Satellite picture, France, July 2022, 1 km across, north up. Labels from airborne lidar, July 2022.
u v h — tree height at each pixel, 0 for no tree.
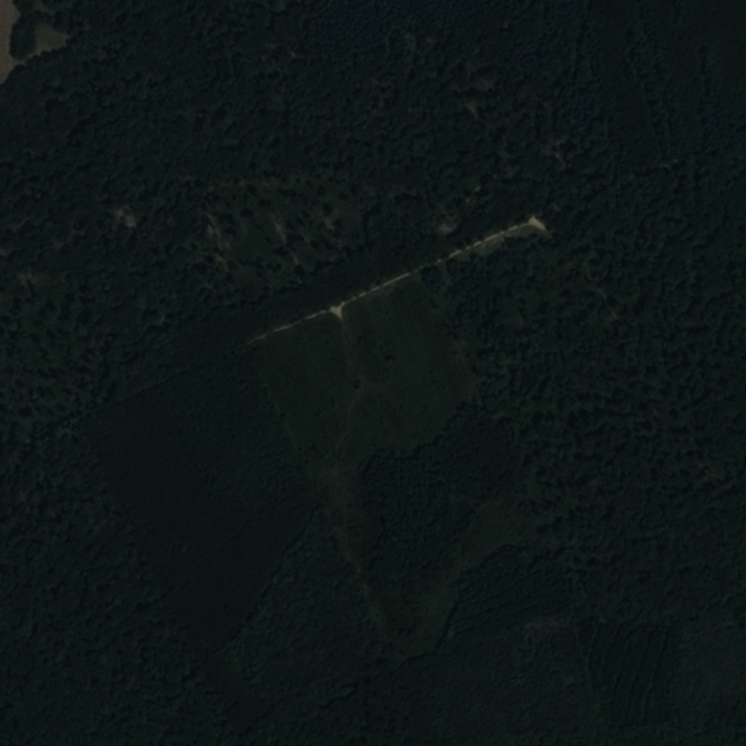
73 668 21
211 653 9
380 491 14
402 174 20
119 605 20
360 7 20
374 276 13
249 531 12
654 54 13
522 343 8
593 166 20
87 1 17
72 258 23
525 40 19
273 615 17
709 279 19
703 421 18
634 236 21
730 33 9
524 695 14
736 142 22
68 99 26
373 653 24
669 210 18
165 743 21
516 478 17
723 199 20
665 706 9
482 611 15
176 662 21
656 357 24
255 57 19
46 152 27
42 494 25
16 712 23
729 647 14
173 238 19
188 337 16
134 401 12
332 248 24
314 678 20
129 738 20
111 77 24
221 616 10
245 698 9
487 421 17
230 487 17
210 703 20
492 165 18
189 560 9
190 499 12
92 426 12
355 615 22
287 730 24
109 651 21
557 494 24
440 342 0
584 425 23
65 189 28
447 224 21
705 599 20
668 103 21
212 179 21
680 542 21
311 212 24
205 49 15
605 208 19
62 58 22
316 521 17
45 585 21
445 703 16
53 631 20
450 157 20
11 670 22
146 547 12
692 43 12
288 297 15
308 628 20
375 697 29
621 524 18
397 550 18
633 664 11
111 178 22
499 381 21
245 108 21
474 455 19
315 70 19
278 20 22
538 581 21
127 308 24
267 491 17
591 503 19
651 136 10
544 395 25
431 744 14
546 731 14
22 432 21
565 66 23
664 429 22
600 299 25
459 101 24
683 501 19
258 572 10
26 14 17
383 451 11
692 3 12
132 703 17
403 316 0
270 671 22
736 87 14
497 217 17
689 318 25
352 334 0
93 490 24
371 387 0
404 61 19
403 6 21
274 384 0
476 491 20
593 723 10
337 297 19
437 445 16
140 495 12
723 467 0
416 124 19
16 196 26
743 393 22
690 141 14
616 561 22
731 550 14
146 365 22
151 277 23
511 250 22
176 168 24
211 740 21
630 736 20
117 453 11
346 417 0
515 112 22
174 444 11
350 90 20
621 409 25
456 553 9
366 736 27
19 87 25
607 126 21
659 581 20
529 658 21
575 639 13
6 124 25
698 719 13
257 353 8
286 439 13
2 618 21
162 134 20
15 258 17
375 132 22
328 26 19
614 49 12
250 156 20
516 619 17
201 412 15
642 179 20
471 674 11
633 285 22
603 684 9
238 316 19
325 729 23
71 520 19
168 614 10
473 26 18
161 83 11
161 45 20
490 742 16
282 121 15
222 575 10
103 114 26
